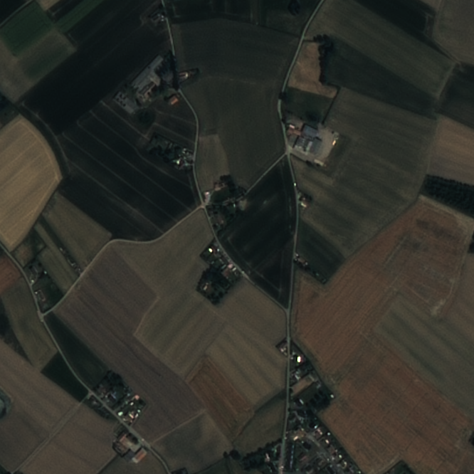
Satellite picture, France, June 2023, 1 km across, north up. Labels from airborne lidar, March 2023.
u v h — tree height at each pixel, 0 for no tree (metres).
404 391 0
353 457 0
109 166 0
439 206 0
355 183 0
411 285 0
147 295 0
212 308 0
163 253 0
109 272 0
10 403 0
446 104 0
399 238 0
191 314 0
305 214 0
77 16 0
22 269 0
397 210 0
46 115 0
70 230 0
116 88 0
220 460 0
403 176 0
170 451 0
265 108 0
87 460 0
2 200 0
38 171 0
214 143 0
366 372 0
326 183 0
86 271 0
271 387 0
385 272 0
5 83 0
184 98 0
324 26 0
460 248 0
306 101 0
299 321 0
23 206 0
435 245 0
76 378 0
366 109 0
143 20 0
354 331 0
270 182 0
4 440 0
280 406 0
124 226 0
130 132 0
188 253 0
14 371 0
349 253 0
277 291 0
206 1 0
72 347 0
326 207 0
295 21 0
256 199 0
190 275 0
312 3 0
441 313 0
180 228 0
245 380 0
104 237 0
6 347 0
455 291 0
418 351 0
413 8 0
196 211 0
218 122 0
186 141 0
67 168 0
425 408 0
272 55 0
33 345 0
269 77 0
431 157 0
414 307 0
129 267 0
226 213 8
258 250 0
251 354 0
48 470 0
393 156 0
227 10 0
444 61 0
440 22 0
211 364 0
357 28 0
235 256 0
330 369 0
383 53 0
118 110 0
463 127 0
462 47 0
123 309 0
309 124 0
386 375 0
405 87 0
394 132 0
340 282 0
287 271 0
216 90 0
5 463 0
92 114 0
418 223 0
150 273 0
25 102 0
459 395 0
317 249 0
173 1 0
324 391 0
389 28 0
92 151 0
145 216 0
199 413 0
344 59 0
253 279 0
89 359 0
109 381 7
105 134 0
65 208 0
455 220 0
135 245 0
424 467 0
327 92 0
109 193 0
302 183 0
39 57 0
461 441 0
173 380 0
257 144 0
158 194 0
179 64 0
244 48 0
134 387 0
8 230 0
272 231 0
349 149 0
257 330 0
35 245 0
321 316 0
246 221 0
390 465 0
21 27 0
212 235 0
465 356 0
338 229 0
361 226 0
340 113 0
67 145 0
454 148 0
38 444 0
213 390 0
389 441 0
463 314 0
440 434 0
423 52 0
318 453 0
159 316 0
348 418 0
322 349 0
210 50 0
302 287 0
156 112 0
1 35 0
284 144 0
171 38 0
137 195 0
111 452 0
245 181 0
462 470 0
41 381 0
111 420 0
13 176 0
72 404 0
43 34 0
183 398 0
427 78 0
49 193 0
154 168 0
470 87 0
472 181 0
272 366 0
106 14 0
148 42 0
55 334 0
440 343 0
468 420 0
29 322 0
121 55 0
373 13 0
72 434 0
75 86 0
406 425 0
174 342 0
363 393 0
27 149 0
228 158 0
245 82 0
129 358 0
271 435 0
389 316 0
